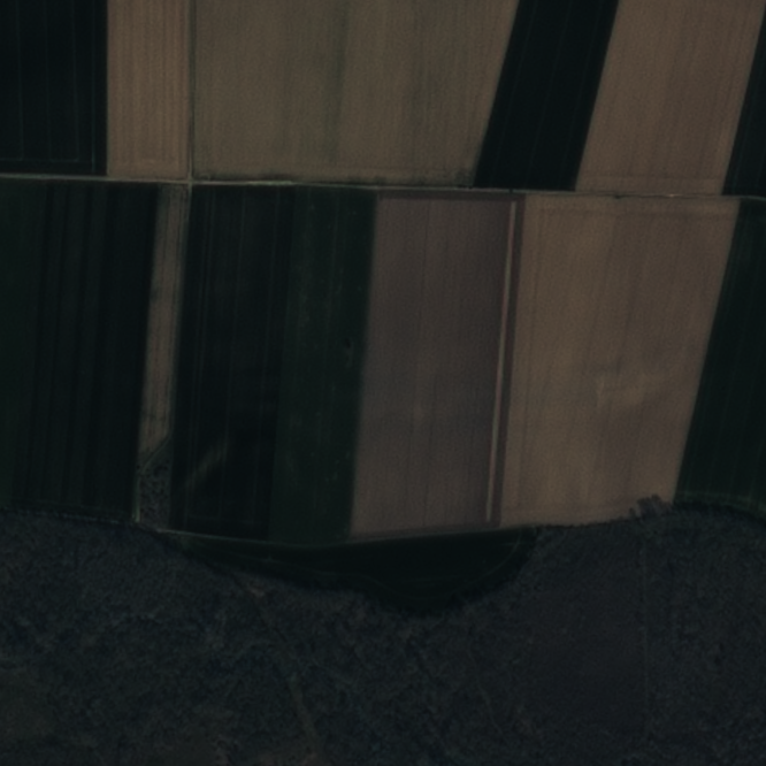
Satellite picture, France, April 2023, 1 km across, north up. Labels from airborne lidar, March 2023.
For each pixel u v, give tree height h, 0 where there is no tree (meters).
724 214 0
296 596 16
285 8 0
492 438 0
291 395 0
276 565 0
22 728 0
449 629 8
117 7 0
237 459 0
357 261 0
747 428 0
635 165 0
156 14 0
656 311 0
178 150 0
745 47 0
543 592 6
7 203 0
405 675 19
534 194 0
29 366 0
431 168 0
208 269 0
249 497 0
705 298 0
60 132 0
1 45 0
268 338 0
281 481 0
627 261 0
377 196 0
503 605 8
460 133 0
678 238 0
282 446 0
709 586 11
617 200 0
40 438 0
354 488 0
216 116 0
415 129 0
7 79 0
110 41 0
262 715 15
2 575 19
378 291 0
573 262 0
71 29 0
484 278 0
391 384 0
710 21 0
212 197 0
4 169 0
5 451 0
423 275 0
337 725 18
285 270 0
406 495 0
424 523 0
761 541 20
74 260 0
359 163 0
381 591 0
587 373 0
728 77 0
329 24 0
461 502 0
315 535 0
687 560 19
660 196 0
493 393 0
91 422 0
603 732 7
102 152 0
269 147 0
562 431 0
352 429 0
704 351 0
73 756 8
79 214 0
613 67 0
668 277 0
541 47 0
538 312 0
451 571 0
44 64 0
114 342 0
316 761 0
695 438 0
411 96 0
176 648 20
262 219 0
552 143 0
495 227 0
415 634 7
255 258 0
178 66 0
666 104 0
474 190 0
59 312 0
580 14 0
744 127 0
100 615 21
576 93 0
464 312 0
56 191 0
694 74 0
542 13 0
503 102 0
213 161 0
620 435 0
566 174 0
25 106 0
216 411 0
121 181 0
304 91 0
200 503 0
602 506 0
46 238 0
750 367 0
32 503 0
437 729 10
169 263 0
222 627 28
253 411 0
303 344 0
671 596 12
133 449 0
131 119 0
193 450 0
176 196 0
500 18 0
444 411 0
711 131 0
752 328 0
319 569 0
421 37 0
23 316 0
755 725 17
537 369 0
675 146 0
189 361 0
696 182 0
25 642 37
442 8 0
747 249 0
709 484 0
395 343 0
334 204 0
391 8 0
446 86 0
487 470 0
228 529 0
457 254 0
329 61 0
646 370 0
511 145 0
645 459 0
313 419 0
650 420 0
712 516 20
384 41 0
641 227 0
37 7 0
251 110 0
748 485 0
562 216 0
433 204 0
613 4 0
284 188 0
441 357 0
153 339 0
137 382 0
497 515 0
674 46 0
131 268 0
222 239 0
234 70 0
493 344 0
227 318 0
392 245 0
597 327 0
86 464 0
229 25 0
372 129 0
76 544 21
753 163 0
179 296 0
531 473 0
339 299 0
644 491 0
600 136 0
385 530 0
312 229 0
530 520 0
